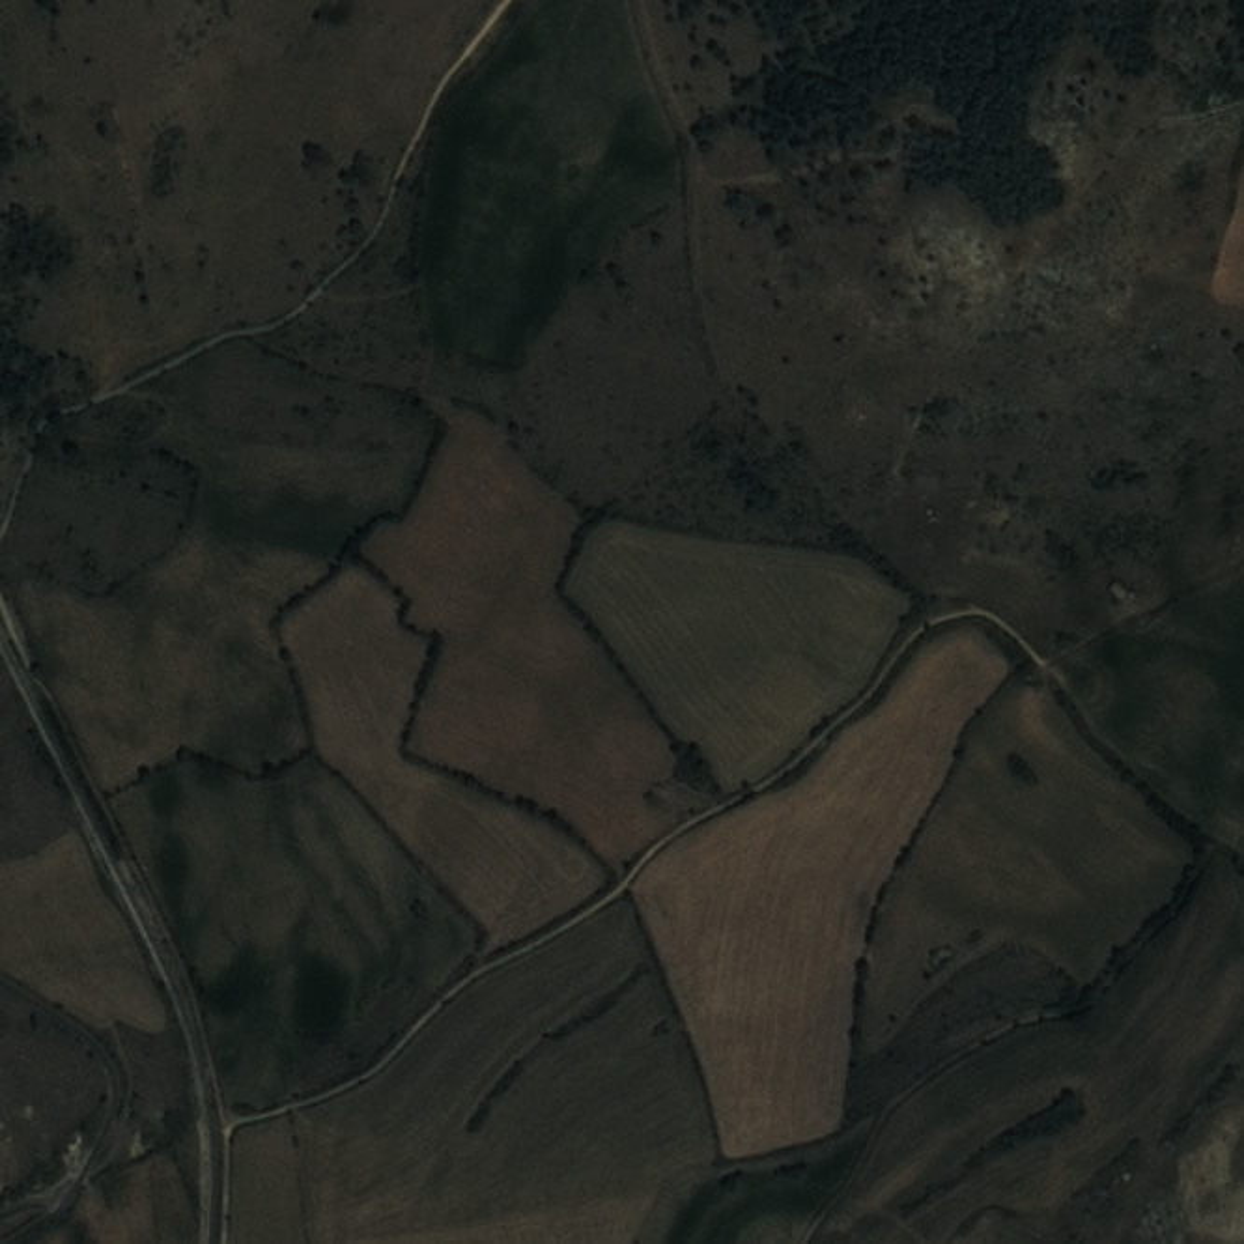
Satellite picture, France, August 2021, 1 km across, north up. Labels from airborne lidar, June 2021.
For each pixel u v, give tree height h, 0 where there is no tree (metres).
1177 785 0
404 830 0
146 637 0
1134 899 0
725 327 0
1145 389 0
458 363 0
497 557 0
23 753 0
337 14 0
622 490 0
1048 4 12
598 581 0
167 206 0
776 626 0
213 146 0
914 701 0
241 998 0
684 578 0
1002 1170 0
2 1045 0
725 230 0
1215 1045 0
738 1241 0
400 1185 0
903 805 0
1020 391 0
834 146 10
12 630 0
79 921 0
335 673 0
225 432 0
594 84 0
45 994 0
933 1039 0
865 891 0
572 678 0
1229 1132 0
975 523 0
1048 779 0
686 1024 0
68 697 0
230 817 0
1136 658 0
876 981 0
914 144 8
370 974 0
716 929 0
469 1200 0
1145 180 0
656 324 0
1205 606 0
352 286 0
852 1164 0
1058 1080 0
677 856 0
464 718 0
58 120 0
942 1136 0
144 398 0
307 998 0
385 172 0
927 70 9
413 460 0
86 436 0
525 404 0
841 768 0
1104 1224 0
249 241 0
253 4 0
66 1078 0
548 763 0
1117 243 0
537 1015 0
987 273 0
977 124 10
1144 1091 0
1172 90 0
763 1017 0
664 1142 0
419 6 0
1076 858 0
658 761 0
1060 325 0
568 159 0
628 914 0
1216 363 0
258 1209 0
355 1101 0
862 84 11
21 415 7
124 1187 0
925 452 0
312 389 0
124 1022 0
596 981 0
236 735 0
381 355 0
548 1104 0
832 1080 0
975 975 0
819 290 0
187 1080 0
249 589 0
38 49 0
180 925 0
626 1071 0
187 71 0
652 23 0
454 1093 0
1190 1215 0
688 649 0
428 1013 0
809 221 0
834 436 0
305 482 0
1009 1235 0
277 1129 0
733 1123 0
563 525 0
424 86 0
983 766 0
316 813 0
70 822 0
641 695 5
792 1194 0
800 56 12
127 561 0
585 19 0
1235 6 9
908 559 0
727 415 0
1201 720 0
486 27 0
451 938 0
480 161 0
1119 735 0
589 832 0
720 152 0
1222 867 0
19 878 0
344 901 0
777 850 0
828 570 0
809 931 0
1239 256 0
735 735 0
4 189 0
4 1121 0
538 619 0
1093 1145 0
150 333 0
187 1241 0
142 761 0
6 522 0
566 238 0
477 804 0
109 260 0
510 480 0
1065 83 0
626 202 0
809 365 0
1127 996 0
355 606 0
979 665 0
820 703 0
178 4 0
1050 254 0
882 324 0
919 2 12
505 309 0
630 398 0
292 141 0
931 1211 0
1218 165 0
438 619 0
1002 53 10
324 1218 0
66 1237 0
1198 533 0
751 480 10
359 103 0
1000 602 0
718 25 6
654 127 0
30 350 9
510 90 0
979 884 0
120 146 0
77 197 0
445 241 0
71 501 0
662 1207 0
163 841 0
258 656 0
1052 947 0
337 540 0
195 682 0
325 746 0
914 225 0
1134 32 10
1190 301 0
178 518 0
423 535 0
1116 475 7
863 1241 0
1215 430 0
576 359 0
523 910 0
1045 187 8
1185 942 0
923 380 0
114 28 0
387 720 0
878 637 0
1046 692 0
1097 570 0
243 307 0
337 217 0
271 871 0
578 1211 0
